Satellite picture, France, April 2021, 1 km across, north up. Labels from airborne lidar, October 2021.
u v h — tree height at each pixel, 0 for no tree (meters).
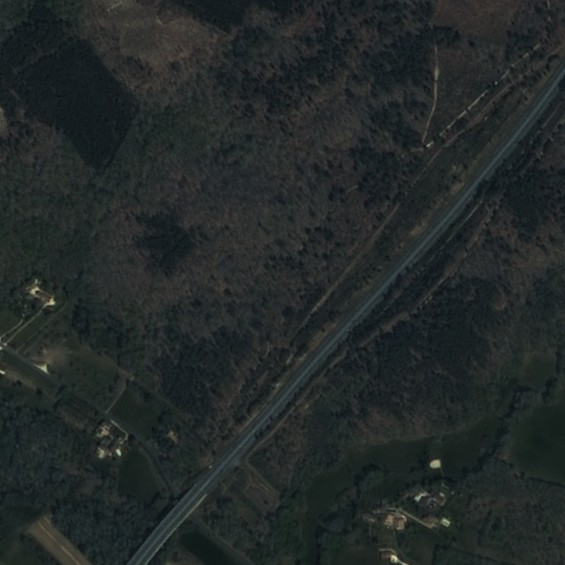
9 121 14
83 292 0
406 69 0
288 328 14
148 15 0
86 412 11
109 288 0
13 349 8
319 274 14
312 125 11
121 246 0
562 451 0
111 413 0
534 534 20
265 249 0
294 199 0
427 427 18
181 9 8
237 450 0
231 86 0
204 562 0
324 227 7
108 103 13
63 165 16
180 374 22
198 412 23
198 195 0
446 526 0
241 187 0
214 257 0
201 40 0
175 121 26
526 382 0
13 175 17
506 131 0
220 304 12
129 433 0
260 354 11
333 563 0
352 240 7
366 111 15
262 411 0
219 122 0
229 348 24
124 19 0
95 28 16
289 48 12
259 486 0
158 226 0
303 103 7
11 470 28
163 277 0
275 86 17
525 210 19
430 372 22
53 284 8
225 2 12
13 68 20
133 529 7
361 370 23
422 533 0
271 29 0
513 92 9
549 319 22
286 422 0
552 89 0
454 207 0
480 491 15
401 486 0
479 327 27
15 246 20
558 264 20
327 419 6
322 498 0
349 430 19
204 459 13
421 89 0
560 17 14
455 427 24
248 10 14
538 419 0
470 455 0
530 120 0
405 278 8
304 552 17
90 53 13
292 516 20
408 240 0
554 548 21
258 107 6
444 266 9
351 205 9
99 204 11
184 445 18
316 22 7
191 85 15
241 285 13
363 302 0
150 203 0
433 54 19
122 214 0
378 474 25
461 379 23
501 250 18
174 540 10
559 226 16
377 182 15
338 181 7
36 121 7
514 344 25
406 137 0
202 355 24
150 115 23
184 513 0
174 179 0
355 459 0
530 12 8
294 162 0
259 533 8
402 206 10
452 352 24
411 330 12
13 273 16
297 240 0
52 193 19
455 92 6
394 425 20
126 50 0
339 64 23
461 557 19
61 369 0
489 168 0
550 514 22
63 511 24
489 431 0
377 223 9
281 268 15
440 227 0
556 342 26
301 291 9
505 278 14
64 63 14
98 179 22
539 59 11
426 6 13
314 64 21
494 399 19
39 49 22
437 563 18
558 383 15
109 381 0
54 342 7
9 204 17
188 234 0
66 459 13
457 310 20
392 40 0
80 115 17
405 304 9
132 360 19
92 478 20
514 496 16
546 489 16
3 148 13
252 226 15
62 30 22
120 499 11
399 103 12
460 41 21
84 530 24
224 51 16
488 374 21
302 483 16
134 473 0
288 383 0
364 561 0
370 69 0
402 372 22
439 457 0
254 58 0
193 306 13
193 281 0
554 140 13
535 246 16
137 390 17
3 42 21
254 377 17
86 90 13
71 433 17
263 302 16
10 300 13
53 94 14
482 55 10
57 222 28
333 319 15
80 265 20
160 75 14
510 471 16
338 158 0
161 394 12
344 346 7
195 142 0
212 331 16
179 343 29
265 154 0
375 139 0
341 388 25
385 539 0
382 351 20
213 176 0
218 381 27
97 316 19
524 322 24
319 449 6
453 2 0
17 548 0
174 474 23
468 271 12
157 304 0
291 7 14
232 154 0
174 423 15
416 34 0
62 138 12
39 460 17
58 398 8
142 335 0
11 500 21
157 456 0
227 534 14
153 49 0
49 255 21
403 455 0
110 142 14
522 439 0
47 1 13
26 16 14
